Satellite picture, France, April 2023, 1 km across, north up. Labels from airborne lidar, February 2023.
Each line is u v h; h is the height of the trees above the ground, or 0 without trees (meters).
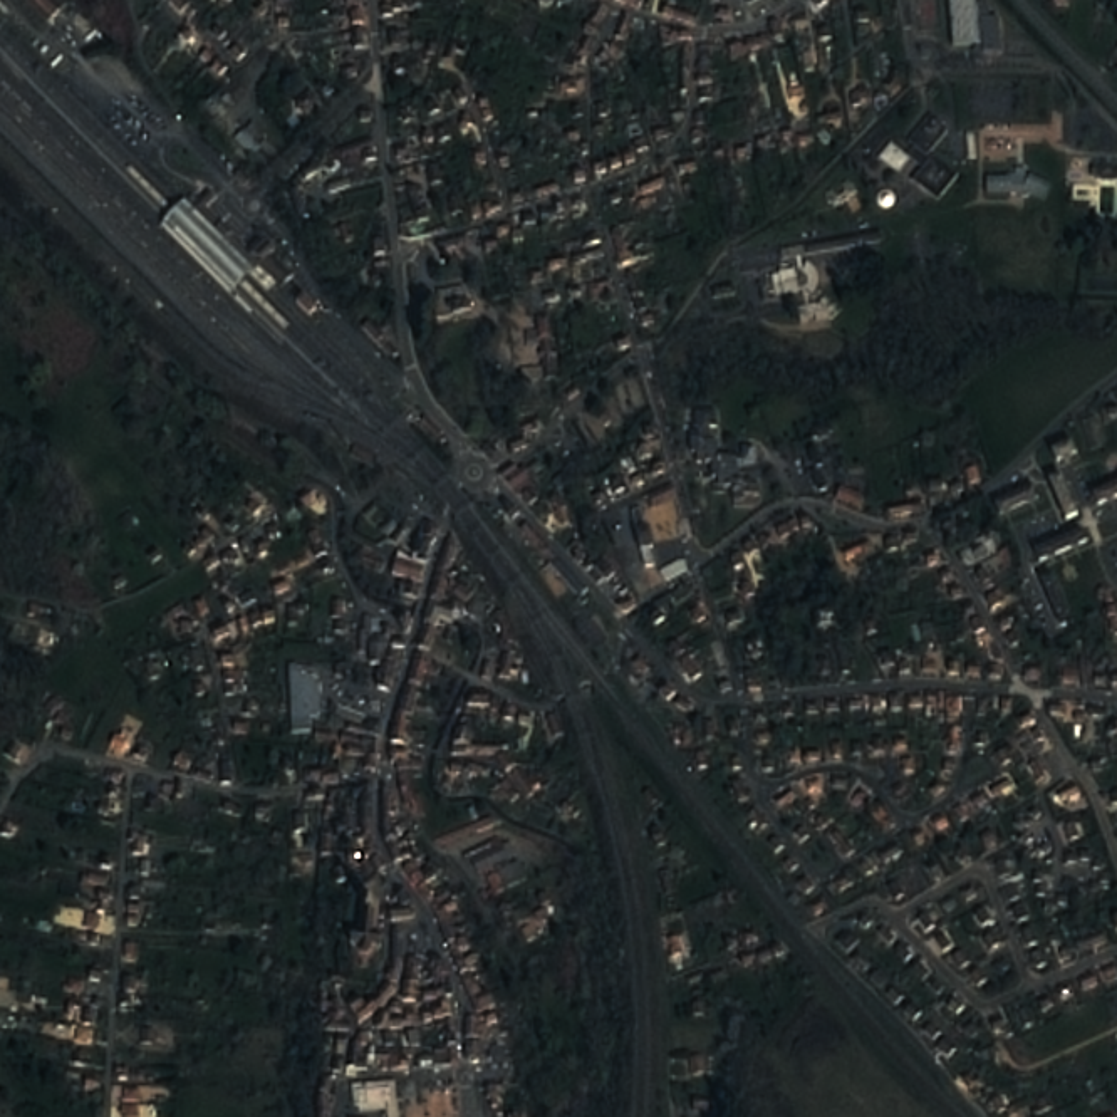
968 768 9
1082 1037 0
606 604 0
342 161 0
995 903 0
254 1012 0
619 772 0
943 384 24
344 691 0
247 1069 0
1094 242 20
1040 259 0
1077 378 0
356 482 12
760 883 0
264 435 7
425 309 26
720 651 0
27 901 0
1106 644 10
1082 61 0
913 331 23
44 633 0
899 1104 0
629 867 0
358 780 0
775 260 0
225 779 0
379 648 0
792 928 0
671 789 0
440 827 0
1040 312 23
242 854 14
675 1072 0
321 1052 10
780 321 0
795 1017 0
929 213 0
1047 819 0
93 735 0
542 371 0
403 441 0
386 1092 0
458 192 8
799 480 0
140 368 13
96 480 0
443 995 0
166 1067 8
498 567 0
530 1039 15
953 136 0
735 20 0
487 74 9
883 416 0
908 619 0
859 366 16
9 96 0
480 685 0
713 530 10
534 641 0
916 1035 0
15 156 0
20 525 6
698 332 16
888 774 0
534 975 19
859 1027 0
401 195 7
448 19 9
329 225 6
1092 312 11
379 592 9
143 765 0
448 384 18
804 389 18
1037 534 0
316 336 0
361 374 0
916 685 0
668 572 0
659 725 0
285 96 12
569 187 0
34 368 18
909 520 0
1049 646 23
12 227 21
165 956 9
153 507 0
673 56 7
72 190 0
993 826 6
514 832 0
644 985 0
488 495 0
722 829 0
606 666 9
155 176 0
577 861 19
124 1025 0
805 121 0
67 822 16
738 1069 9
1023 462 0
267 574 0
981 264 0
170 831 0
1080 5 0
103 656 0
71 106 0
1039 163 0
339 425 0
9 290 16
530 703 0
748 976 0
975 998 0
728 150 10
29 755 0
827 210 0
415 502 0
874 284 20
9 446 10
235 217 0
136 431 18
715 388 18
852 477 0
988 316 19
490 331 16
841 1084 0
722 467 0
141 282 0
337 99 16
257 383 0
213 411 25
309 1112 18
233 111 0
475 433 14
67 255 0
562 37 11
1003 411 0
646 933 0
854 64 0
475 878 0
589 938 20
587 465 18
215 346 0
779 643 15
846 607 13
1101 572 0
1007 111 0
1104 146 0
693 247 8
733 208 7
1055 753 0
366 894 0
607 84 9
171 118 0
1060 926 8
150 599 0
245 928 0
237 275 0
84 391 0
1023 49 0
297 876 0
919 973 0
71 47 0
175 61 0
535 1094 21
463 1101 0
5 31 0
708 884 0
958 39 0
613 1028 22
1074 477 0
